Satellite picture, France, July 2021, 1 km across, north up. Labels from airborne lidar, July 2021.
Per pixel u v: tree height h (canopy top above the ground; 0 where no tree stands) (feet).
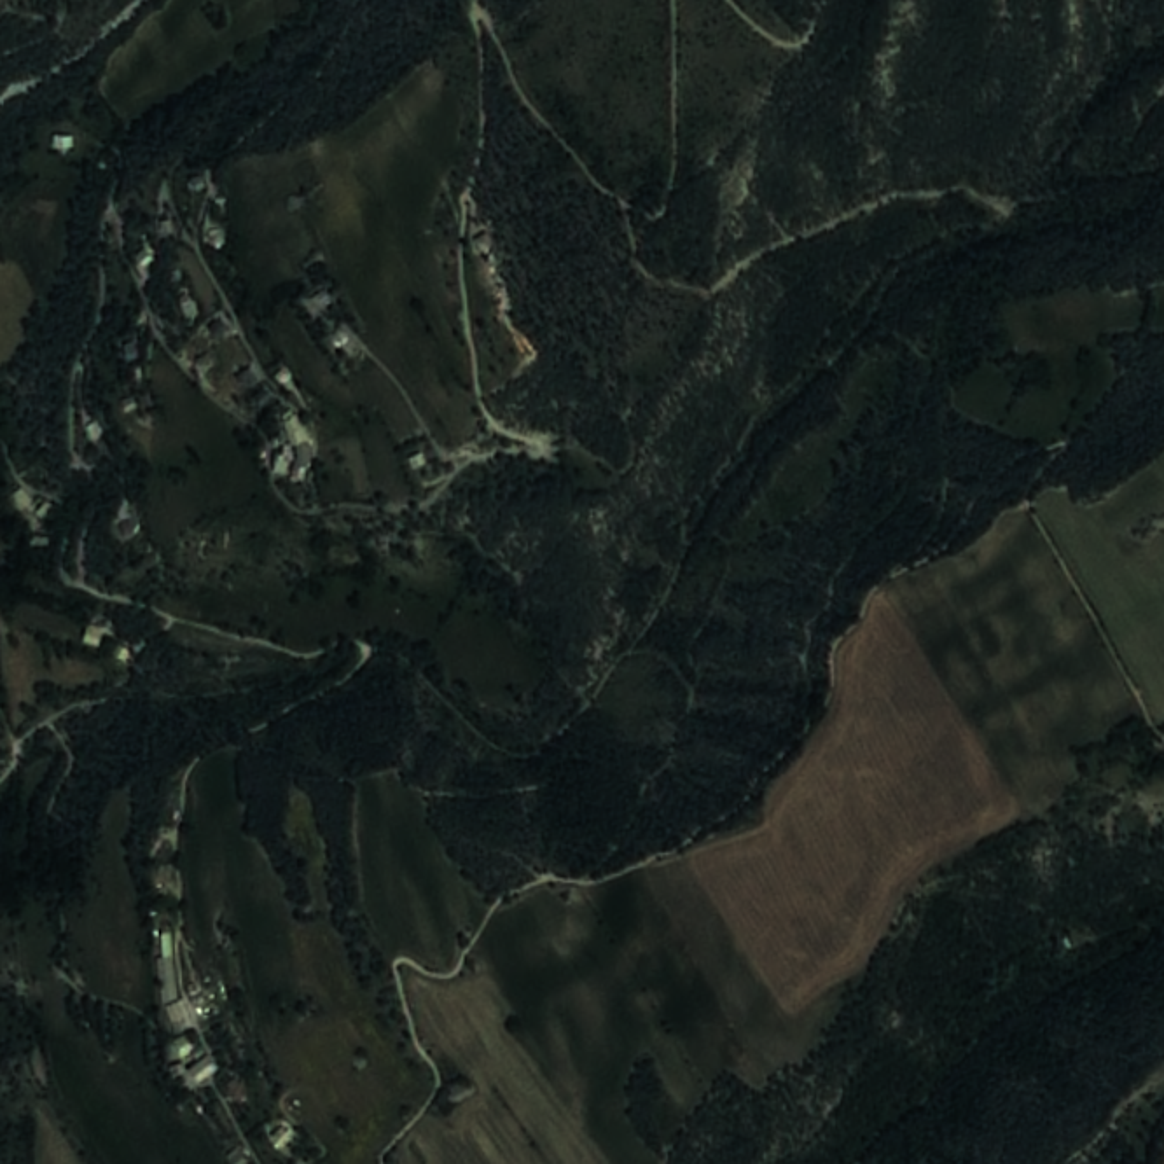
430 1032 0
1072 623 0
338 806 37
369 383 0
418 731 60
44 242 0
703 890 0
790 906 0
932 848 0
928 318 25
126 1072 0
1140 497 0
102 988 0
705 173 27
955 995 23
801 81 24
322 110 26
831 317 25
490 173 33
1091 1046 24
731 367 26
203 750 19
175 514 0
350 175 0
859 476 50
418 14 24
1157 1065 20
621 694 0
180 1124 0
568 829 63
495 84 24
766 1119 23
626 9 0
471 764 23
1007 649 0
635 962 0
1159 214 55
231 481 0
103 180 22
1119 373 25
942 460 51
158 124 63
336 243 0
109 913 0
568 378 22
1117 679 0
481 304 0
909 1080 35
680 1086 0
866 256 22
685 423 26
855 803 0
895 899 0
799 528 27
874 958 34
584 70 0
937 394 38
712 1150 35
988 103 26
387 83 21
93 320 23
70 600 31
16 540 59
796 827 0
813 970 0
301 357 0
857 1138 22
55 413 26
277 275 0
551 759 50
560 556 31
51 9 22
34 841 51
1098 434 37
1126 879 26
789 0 24
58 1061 0
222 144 24
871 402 24
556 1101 0
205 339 0
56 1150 0
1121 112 26
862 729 0
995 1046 31
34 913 0
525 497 34
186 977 0
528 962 0
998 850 22
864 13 39
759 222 24
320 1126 0
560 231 41
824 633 25
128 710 24
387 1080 0
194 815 0
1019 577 0
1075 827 40
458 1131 0
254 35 0
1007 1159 25
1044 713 0
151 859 31
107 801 19
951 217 41
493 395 21
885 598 0
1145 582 0
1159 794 0
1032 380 32
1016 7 29
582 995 0
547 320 36
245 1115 25
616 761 47
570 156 30
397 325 0
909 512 21
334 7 33
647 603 27
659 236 45
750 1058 0
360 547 29
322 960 0
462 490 30
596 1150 0
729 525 40
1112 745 32
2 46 19
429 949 0
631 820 22
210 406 0
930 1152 20
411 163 0
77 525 31
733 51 0
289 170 0
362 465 0
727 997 0
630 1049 0
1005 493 30
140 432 0
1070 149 26
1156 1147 34
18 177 32
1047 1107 28
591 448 26
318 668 38
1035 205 23
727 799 37
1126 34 23
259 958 0
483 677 0
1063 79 20
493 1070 0
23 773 20
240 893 0
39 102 41
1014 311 0
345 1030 0
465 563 34
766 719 31
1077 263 45
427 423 0
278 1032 0
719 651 21
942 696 0
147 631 29
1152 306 37
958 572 0
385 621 0
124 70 0
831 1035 32
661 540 22
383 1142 0
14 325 0
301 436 0
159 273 47
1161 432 43
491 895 24
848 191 30
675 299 42
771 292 31
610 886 0
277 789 37
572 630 28
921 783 0
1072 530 0
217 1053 26
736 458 30
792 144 22
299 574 37
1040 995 31
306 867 48
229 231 19
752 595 33
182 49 0
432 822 29
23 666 0
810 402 49
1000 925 24
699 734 36
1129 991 23
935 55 33
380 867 0
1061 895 29
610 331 40
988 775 0
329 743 34
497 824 23
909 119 33
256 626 24
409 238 0
